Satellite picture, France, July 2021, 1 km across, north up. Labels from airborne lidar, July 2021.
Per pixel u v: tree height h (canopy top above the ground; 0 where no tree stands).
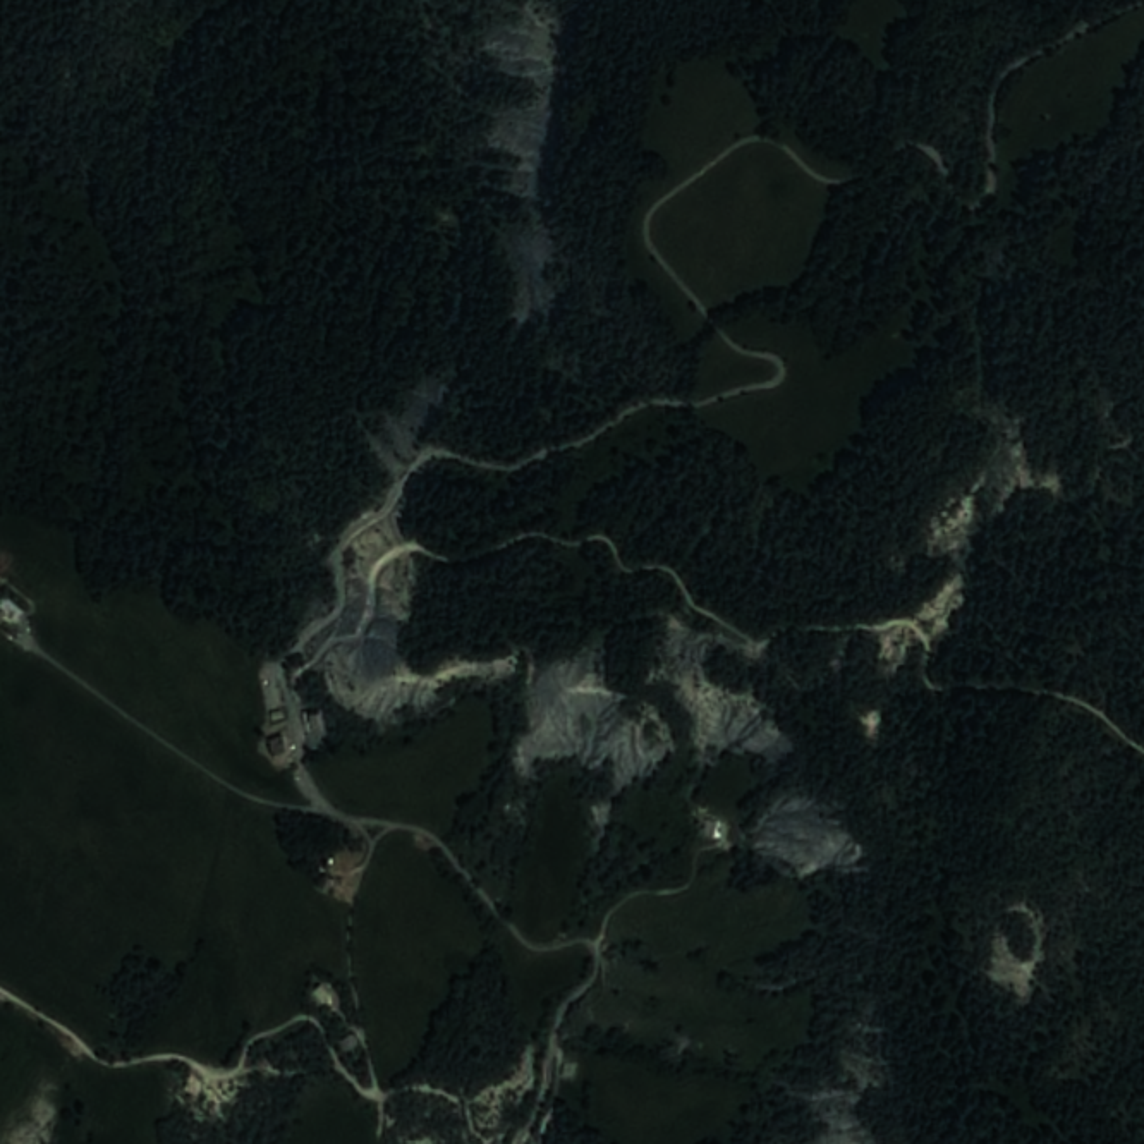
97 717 0
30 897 0
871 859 6
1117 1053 11
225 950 0
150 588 10
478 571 25
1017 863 9
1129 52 0
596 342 16
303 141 13
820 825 0
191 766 0
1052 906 8
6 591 11
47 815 0
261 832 0
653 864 13
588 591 8
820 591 16
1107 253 15
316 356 24
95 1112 0
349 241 6
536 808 6
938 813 8
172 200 17
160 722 0
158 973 15
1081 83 0
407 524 11
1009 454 0
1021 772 10
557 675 0
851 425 0
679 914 0
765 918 0
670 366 14
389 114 28
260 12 26
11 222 8
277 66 23
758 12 33
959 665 13
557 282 6
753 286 0
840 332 22
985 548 24
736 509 18
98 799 0
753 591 15
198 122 25
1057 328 14
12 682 0
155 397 18
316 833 19
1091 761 10
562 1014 0
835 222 17
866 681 13
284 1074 7
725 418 0
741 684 11
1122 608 15
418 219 16
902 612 7
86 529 19
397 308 24
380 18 12
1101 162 14
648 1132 0
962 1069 16
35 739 0
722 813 0
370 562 0
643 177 18
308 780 0
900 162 14
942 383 16
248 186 28
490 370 26
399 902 0
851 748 9
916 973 10
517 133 0
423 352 21
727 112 0
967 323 19
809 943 10
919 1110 14
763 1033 0
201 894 0
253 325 31
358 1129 0
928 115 22
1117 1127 14
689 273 0
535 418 23
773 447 0
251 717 0
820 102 25
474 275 22
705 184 0
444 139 6
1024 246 10
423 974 0
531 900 0
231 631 12
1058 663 16
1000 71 14
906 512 13
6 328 8
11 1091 0
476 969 16
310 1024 9
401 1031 0
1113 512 14
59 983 0
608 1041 10
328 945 0
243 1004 0
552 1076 0
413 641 10
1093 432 13
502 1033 15
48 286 17
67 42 22
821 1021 11
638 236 0
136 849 0
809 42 33
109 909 0
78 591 0
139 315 24
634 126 27
